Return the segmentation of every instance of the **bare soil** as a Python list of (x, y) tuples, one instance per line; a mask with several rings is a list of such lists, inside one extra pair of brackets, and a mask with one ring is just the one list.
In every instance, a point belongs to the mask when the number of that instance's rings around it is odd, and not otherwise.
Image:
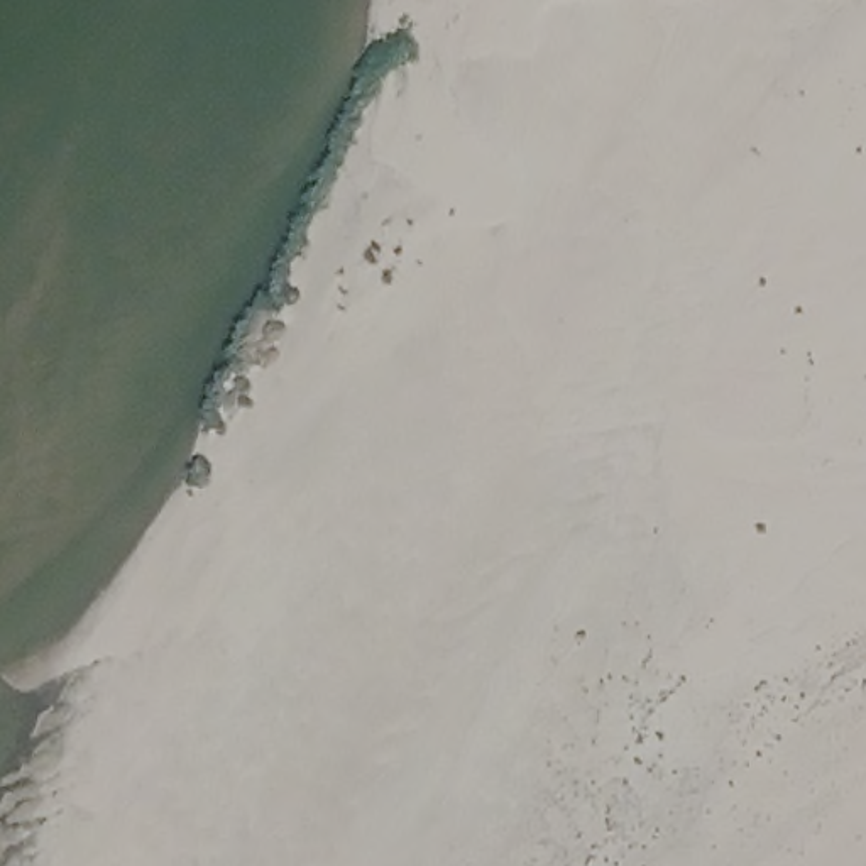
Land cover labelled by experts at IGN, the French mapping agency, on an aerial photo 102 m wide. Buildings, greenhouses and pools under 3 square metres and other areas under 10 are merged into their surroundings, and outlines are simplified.
[(386, 71), (379, 95), (362, 105), (362, 122), (355, 125), (338, 176), (321, 210), (315, 210), (308, 220), (308, 244), (298, 257), (291, 257), (291, 284), (298, 288), (298, 294), (291, 304), (281, 308), (284, 332), (277, 335), (277, 355), (267, 365), (247, 365), (250, 406), (220, 406), (223, 430), (196, 433), (193, 447), (200, 457), (210, 460), (210, 480), (179, 484), (156, 514), (156, 521), (145, 528), (142, 541), (135, 545), (115, 582), (95, 599), (95, 606), (81, 616), (71, 636), (44, 653), (34, 653), (24, 663), (14, 663), (0, 677), (0, 680), (10, 690), (37, 690), (58, 677), (64, 680), (61, 710), (47, 707), (34, 721), (30, 761), (0, 778), (0, 866), (866, 866), (866, 0), (372, 0), (365, 37), (379, 41), (392, 30), (409, 30), (416, 41), (416, 61)]

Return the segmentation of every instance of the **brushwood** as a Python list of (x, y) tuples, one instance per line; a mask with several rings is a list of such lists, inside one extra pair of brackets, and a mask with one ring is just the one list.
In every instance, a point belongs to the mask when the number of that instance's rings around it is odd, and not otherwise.
[(365, 61), (359, 68), (352, 98), (328, 139), (328, 156), (315, 169), (311, 189), (301, 196), (301, 210), (291, 220), (291, 233), (274, 260), (267, 291), (254, 298), (254, 304), (233, 328), (233, 338), (227, 345), (227, 369), (217, 372), (217, 379), (206, 386), (196, 433), (223, 430), (220, 406), (250, 406), (247, 365), (267, 365), (277, 355), (277, 335), (284, 332), (281, 308), (291, 304), (298, 294), (298, 288), (291, 284), (291, 257), (298, 257), (308, 244), (308, 220), (315, 210), (321, 210), (338, 176), (355, 125), (362, 122), (362, 105), (379, 95), (386, 71), (416, 61), (416, 41), (409, 30), (392, 30), (379, 41), (365, 37)]
[(210, 460), (200, 457), (193, 447), (183, 450), (176, 460), (179, 484), (210, 480)]

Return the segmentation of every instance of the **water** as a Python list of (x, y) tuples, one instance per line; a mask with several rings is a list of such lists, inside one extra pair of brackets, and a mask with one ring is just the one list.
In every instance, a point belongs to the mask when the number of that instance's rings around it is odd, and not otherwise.
[(0, 0), (0, 677), (14, 663), (24, 663), (34, 653), (44, 653), (71, 636), (81, 616), (95, 606), (95, 599), (115, 582), (135, 545), (142, 541), (145, 528), (156, 521), (156, 514), (179, 484), (176, 460), (183, 450), (193, 447), (196, 433), (206, 386), (217, 379), (217, 372), (227, 369), (227, 345), (233, 338), (233, 328), (254, 304), (254, 298), (267, 291), (274, 260), (291, 233), (291, 220), (301, 210), (301, 196), (311, 189), (315, 169), (328, 156), (328, 139), (352, 98), (359, 68), (365, 61), (365, 37), (372, 0)]
[(0, 680), (0, 778), (30, 761), (34, 721), (47, 707), (61, 710), (64, 680), (58, 677), (37, 690), (10, 690)]

